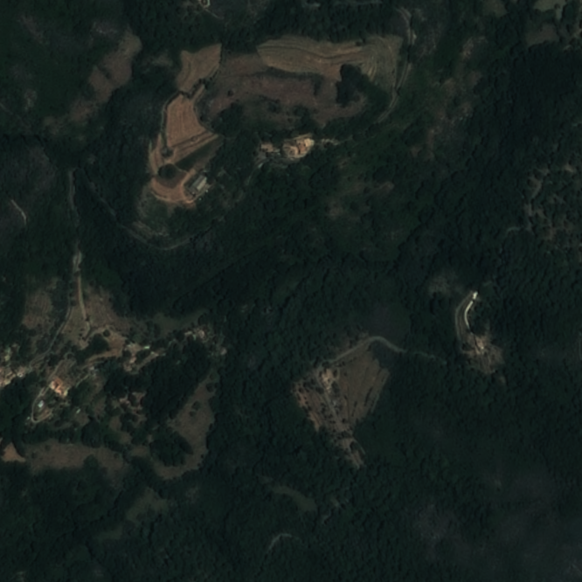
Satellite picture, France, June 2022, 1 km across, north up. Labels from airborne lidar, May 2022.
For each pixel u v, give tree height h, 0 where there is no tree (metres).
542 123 15
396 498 11
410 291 14
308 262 20
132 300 13
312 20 7
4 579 13
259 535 12
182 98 0
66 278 16
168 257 15
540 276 15
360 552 12
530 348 9
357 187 0
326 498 10
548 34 0
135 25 11
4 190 7
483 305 12
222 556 12
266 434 8
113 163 10
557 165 12
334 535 13
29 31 0
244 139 13
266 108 0
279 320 6
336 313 11
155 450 18
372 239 13
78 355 7
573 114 9
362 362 0
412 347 10
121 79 0
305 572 11
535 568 0
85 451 0
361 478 12
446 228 7
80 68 11
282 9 16
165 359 13
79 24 8
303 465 22
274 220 18
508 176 7
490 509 11
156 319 0
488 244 15
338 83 9
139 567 12
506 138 12
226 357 10
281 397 12
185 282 13
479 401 13
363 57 0
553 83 13
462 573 10
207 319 16
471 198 7
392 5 13
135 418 11
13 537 20
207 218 12
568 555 0
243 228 14
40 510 12
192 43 10
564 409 16
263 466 14
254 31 13
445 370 13
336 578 12
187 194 0
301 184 24
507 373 12
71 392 12
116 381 15
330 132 14
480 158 26
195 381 14
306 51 0
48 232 12
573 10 12
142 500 0
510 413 9
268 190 13
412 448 8
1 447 11
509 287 16
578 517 0
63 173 8
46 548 12
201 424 0
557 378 6
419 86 0
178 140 0
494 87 19
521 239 6
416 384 7
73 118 0
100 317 0
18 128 7
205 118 7
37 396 0
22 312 14
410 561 13
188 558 12
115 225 11
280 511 16
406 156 15
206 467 20
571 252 13
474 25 6
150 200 0
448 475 12
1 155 7
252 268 27
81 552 0
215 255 18
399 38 0
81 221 13
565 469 10
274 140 15
